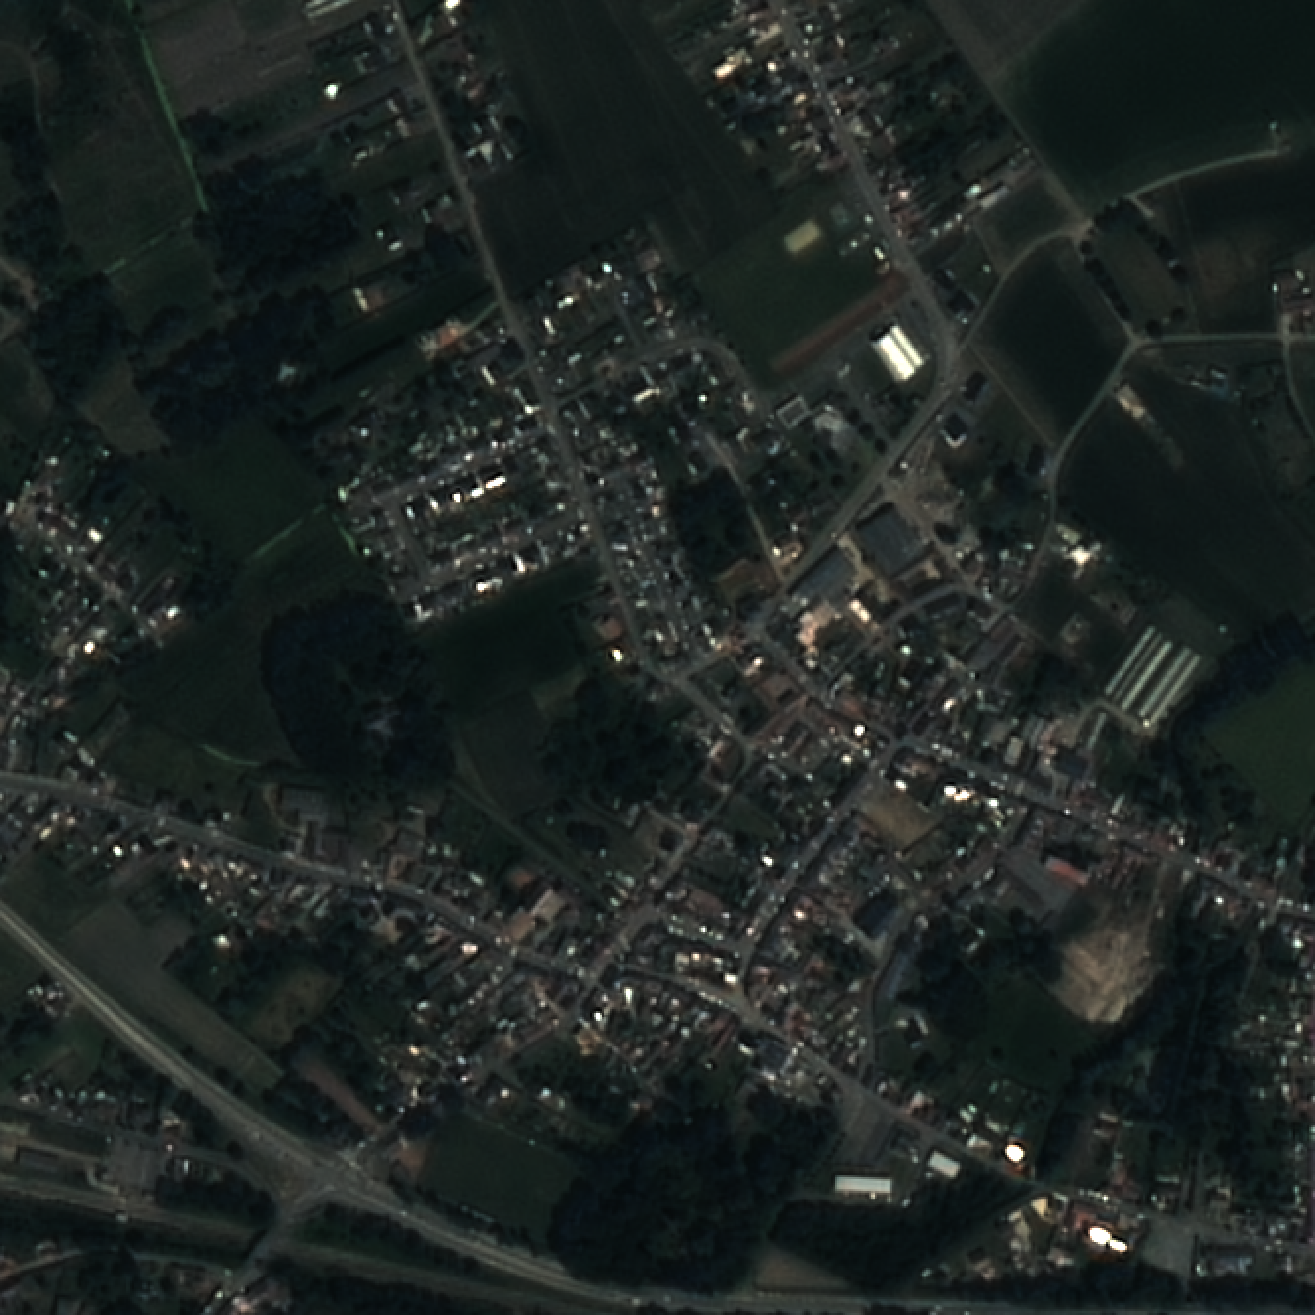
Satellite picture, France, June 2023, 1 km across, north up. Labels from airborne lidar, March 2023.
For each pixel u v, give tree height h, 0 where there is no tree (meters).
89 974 0
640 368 0
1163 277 0
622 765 17
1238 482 0
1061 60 0
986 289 0
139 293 0
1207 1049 22
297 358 15
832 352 0
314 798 0
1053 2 0
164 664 0
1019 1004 0
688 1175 26
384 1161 0
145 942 0
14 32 0
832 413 0
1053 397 0
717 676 0
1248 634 0
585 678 0
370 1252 0
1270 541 0
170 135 0
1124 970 0
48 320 17
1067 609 0
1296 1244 0
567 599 0
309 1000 0
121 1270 12
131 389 0
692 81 0
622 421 12
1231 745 0
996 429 0
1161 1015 19
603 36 0
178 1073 0
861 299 0
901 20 0
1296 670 0
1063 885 0
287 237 17
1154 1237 0
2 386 0
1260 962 20
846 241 0
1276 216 0
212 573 14
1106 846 0
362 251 0
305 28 0
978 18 0
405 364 0
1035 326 0
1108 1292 22
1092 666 0
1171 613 0
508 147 0
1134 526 0
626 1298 0
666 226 0
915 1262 16
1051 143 0
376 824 0
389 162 0
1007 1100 0
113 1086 6
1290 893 0
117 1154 0
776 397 0
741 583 0
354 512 0
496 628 0
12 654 0
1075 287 0
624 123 0
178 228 0
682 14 0
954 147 7
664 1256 0
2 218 0
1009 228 0
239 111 0
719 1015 0
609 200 0
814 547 0
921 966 15
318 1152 0
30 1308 7
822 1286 0
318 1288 7
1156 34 0
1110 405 0
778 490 9
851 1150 0
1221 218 0
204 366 30
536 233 0
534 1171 0
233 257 16
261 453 0
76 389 15
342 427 0
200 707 0
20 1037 13
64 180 0
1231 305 0
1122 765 0
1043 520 0
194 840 0
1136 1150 0
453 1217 17
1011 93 0
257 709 0
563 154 0
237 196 22
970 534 0
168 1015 0
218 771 0
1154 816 6
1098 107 0
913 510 0
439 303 0
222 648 0
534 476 0
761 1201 30
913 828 0
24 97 0
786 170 0
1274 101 0
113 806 0
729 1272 20
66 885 0
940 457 0
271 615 0
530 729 0
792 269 0
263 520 0
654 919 0
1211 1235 0
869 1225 9
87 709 0
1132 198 0
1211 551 0
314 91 0
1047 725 0
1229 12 0
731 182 0
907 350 0
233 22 0
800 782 7
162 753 0
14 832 0
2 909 0
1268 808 0
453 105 14
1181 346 0
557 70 0
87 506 9
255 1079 0
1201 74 0
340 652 33
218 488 0
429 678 22
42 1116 0
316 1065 0
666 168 0
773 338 0
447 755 22
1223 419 0
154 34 0
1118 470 0
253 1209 13
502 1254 0
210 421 22
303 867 0
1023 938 18
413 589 0
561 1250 25
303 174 0
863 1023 0
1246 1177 14
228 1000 13
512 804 0
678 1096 15
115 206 0
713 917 0
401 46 0
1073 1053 0
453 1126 0
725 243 0
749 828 0
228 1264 0
